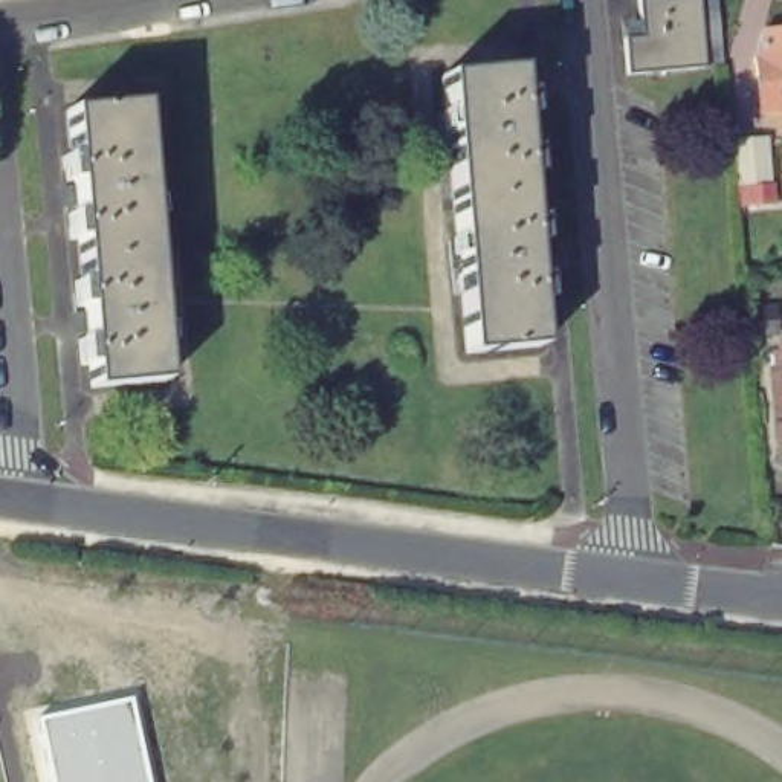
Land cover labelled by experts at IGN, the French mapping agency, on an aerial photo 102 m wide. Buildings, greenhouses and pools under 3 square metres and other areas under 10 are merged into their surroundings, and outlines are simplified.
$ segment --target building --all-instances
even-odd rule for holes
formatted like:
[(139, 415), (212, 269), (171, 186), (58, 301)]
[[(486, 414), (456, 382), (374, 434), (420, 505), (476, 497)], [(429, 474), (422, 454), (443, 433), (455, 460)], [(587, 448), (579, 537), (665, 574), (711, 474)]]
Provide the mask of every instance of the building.
[(79, 254), (79, 281), (73, 287), (73, 302), (86, 309), (89, 321), (86, 336), (79, 339), (79, 364), (89, 367), (92, 388), (125, 385), (171, 382), (177, 376), (180, 357), (159, 101), (153, 95), (134, 95), (86, 101), (67, 107), (67, 156), (61, 159), (61, 168), (67, 183), (73, 180), (76, 186), (76, 205), (67, 217), (67, 235), (76, 241)]
[(706, 64), (721, 64), (724, 0), (635, 0), (638, 15), (626, 18), (632, 43), (632, 67), (623, 70), (626, 76), (703, 73)]
[(739, 199), (745, 211), (782, 211), (782, 144), (770, 150), (767, 137), (745, 141), (739, 147), (736, 165)]
[(461, 290), (458, 296), (467, 324), (467, 351), (544, 348), (553, 342), (556, 330), (535, 64), (498, 61), (464, 64), (458, 73), (443, 73), (449, 122), (458, 131), (455, 162), (452, 171), (449, 199), (455, 211), (455, 250)]
[(782, 296), (765, 293), (767, 360), (761, 367), (761, 385), (767, 394), (770, 458), (773, 470), (782, 470)]
[(137, 696), (46, 712), (46, 733), (58, 782), (156, 782)]
[(761, 101), (761, 113), (755, 122), (782, 131), (782, 24), (767, 24), (758, 34), (748, 61), (748, 73), (758, 86)]

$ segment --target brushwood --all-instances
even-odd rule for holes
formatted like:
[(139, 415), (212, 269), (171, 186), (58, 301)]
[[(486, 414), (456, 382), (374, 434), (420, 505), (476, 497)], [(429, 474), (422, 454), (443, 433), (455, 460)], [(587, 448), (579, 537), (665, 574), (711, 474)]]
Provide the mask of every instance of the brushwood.
[(730, 73), (721, 64), (706, 64), (703, 73), (706, 79), (715, 79), (724, 89), (724, 98), (715, 107), (730, 116), (741, 137), (736, 70)]
[(773, 544), (773, 498), (764, 473), (764, 461), (770, 458), (767, 394), (761, 385), (761, 367), (755, 364), (741, 376), (758, 532), (748, 525), (718, 525), (709, 544), (721, 550), (770, 550)]
[(223, 580), (223, 587), (260, 583), (260, 574), (266, 571), (247, 562), (232, 562), (229, 568), (208, 568), (147, 556), (73, 553), (61, 547), (34, 547), (37, 535), (15, 538), (12, 559), (49, 562), (52, 565), (79, 562), (89, 568), (119, 568), (119, 574), (137, 577), (150, 571), (171, 577)]
[(382, 504), (406, 504), (513, 522), (547, 519), (550, 513), (556, 513), (562, 507), (559, 489), (547, 489), (541, 498), (489, 498), (452, 489), (333, 473), (305, 470), (250, 464), (244, 461), (244, 446), (235, 446), (229, 458), (211, 458), (208, 452), (174, 455), (168, 458), (168, 464), (156, 467), (156, 480), (214, 480), (223, 486), (260, 486), (312, 495), (367, 498)]
[(742, 261), (739, 214), (745, 211), (739, 199), (736, 165), (724, 174), (733, 287), (745, 290), (765, 293), (782, 296), (782, 257), (779, 247), (770, 247), (764, 260)]
[(348, 577), (321, 571), (293, 574), (293, 580), (302, 590), (342, 593), (342, 602), (354, 608), (367, 608), (373, 602), (376, 608), (397, 614), (458, 617), (473, 623), (513, 623), (547, 632), (602, 635), (614, 641), (638, 638), (648, 645), (718, 648), (755, 657), (782, 657), (782, 635), (730, 632), (715, 623), (657, 623), (620, 614), (580, 614), (556, 608), (525, 608), (510, 602), (477, 602), (409, 590), (382, 590), (382, 577)]

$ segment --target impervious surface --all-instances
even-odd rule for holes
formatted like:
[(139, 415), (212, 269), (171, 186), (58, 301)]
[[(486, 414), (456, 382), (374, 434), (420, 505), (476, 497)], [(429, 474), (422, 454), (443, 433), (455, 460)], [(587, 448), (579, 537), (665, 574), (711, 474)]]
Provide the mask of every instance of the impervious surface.
[(764, 764), (782, 773), (782, 724), (736, 700), (657, 675), (556, 675), (498, 687), (428, 718), (425, 724), (391, 742), (354, 782), (406, 782), (431, 764), (437, 764), (440, 758), (446, 758), (449, 751), (486, 733), (535, 718), (587, 709), (623, 709), (681, 721), (748, 748)]
[(452, 171), (434, 183), (440, 189), (446, 244), (455, 250), (455, 211), (449, 199)]
[[(330, 559), (351, 565), (437, 568), (464, 577), (574, 587), (611, 596), (626, 593), (654, 602), (678, 599), (678, 614), (745, 611), (782, 617), (782, 544), (773, 544), (770, 550), (721, 550), (709, 544), (684, 544), (666, 535), (654, 519), (651, 504), (657, 495), (669, 495), (684, 507), (690, 507), (693, 501), (681, 428), (681, 376), (681, 370), (675, 367), (675, 348), (669, 342), (669, 333), (678, 321), (672, 309), (669, 278), (672, 260), (663, 214), (663, 168), (654, 156), (651, 137), (654, 113), (641, 98), (629, 92), (626, 76), (623, 70), (632, 67), (632, 43), (626, 18), (638, 15), (635, 0), (559, 0), (556, 6), (562, 6), (565, 15), (583, 309), (590, 312), (593, 376), (605, 467), (605, 513), (602, 519), (587, 519), (571, 348), (561, 283), (548, 46), (538, 43), (536, 0), (516, 0), (516, 9), (510, 9), (483, 40), (498, 61), (535, 64), (556, 330), (553, 342), (544, 348), (467, 351), (467, 324), (458, 296), (449, 302), (455, 357), (461, 364), (538, 357), (538, 376), (547, 376), (553, 382), (553, 437), (553, 455), (562, 467), (559, 489), (562, 507), (556, 513), (550, 513), (547, 519), (513, 522), (406, 504), (382, 504), (367, 498), (312, 495), (260, 486), (223, 486), (214, 480), (156, 480), (113, 473), (119, 467), (119, 458), (95, 455), (89, 461), (86, 425), (95, 412), (92, 388), (89, 367), (79, 364), (79, 339), (86, 336), (89, 321), (86, 309), (73, 302), (73, 287), (79, 281), (79, 254), (76, 241), (67, 235), (67, 217), (76, 205), (76, 186), (73, 180), (67, 183), (61, 168), (61, 159), (67, 156), (67, 107), (86, 101), (89, 82), (55, 79), (52, 49), (86, 46), (89, 40), (101, 40), (104, 34), (153, 21), (192, 21), (244, 9), (269, 12), (269, 6), (278, 6), (284, 15), (293, 15), (299, 3), (312, 6), (315, 0), (0, 0), (0, 519), (86, 525), (92, 532), (131, 532), (147, 538), (177, 538), (189, 544), (217, 544), (235, 550), (263, 550), (278, 556)], [(21, 211), (18, 192), (18, 131), (24, 116), (21, 98), (37, 104), (37, 144), (43, 180), (43, 211), (37, 217), (27, 217)], [(43, 235), (49, 247), (52, 315), (46, 318), (37, 318), (31, 309), (24, 260), (31, 235)], [(55, 455), (43, 452), (40, 431), (40, 394), (34, 360), (34, 342), (40, 336), (55, 339), (61, 360), (64, 446)]]
[(745, 141), (767, 137), (770, 150), (782, 144), (782, 131), (755, 122), (761, 113), (761, 101), (758, 86), (748, 73), (748, 61), (758, 34), (767, 24), (782, 24), (782, 0), (742, 0), (739, 27), (733, 37), (736, 70), (741, 137)]
[(284, 718), (278, 745), (281, 782), (351, 782), (342, 776), (345, 678), (336, 672), (299, 672), (284, 684)]
[(40, 782), (58, 782), (46, 733), (46, 712), (43, 709), (24, 712)]

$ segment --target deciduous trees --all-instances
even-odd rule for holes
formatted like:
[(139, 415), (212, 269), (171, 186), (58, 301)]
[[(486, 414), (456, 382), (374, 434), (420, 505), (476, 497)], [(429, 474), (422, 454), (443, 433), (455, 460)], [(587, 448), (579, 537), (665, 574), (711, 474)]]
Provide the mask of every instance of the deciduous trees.
[(434, 183), (452, 171), (455, 162), (440, 144), (440, 137), (434, 131), (425, 131), (415, 119), (391, 104), (367, 104), (360, 110), (351, 101), (324, 101), (315, 113), (305, 113), (272, 144), (269, 171), (284, 171), (290, 177), (293, 192), (312, 196), (312, 208), (309, 214), (302, 214), (299, 232), (284, 235), (278, 254), (287, 260), (287, 266), (305, 272), (315, 290), (339, 293), (345, 269), (367, 247), (367, 241), (342, 223), (345, 196), (370, 192), (382, 205), (382, 211), (400, 208), (403, 192), (422, 199), (422, 192)]
[(712, 315), (693, 312), (690, 318), (678, 321), (669, 333), (669, 342), (675, 348), (675, 367), (681, 370), (681, 376), (687, 379), (693, 373), (696, 379), (703, 379), (706, 388), (733, 382), (741, 376), (755, 364), (761, 367), (767, 360), (765, 293), (745, 290), (751, 321), (742, 321), (733, 309), (718, 309)]
[(345, 348), (327, 345), (327, 339), (315, 327), (290, 321), (284, 309), (275, 309), (269, 318), (263, 367), (269, 370), (272, 382), (293, 379), (302, 388), (293, 409), (284, 409), (284, 431), (293, 449), (302, 455), (305, 470), (333, 473), (339, 461), (357, 461), (360, 452), (376, 446), (391, 431), (391, 425), (382, 425), (376, 406), (360, 397), (360, 385), (348, 385), (339, 394), (305, 391), (305, 385), (318, 376), (348, 367), (351, 357)]
[(220, 299), (229, 290), (235, 290), (235, 296), (241, 299), (257, 296), (272, 281), (272, 263), (260, 269), (254, 257), (235, 247), (241, 229), (223, 226), (217, 220), (211, 287), (220, 293)]
[(654, 156), (663, 168), (696, 180), (724, 174), (736, 165), (739, 147), (745, 141), (741, 137), (730, 116), (715, 107), (696, 107), (678, 116), (672, 116), (669, 110), (654, 113), (651, 137)]
[(464, 458), (467, 473), (473, 473), (477, 480), (504, 480), (513, 470), (535, 470), (544, 458), (553, 455), (553, 437), (541, 431), (528, 391), (516, 379), (486, 385), (486, 403), (480, 409), (480, 418), (458, 431), (458, 440), (452, 446), (455, 458)]
[(406, 382), (425, 371), (425, 360), (418, 360), (415, 345), (409, 339), (388, 339), (382, 364), (394, 379)]
[(254, 165), (254, 144), (238, 141), (235, 174), (257, 183), (266, 171)]
[(156, 400), (128, 394), (125, 385), (92, 388), (95, 412), (86, 425), (89, 461), (95, 455), (119, 458), (119, 467), (113, 473), (156, 480), (156, 467), (168, 464), (168, 458), (174, 455), (168, 452), (168, 443), (177, 437), (174, 415), (159, 405)]

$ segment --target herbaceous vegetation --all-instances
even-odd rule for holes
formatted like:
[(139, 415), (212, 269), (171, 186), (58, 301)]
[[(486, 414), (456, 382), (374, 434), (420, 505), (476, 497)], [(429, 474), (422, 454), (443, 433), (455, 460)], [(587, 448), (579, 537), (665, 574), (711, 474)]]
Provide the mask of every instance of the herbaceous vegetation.
[(483, 40), (510, 9), (516, 9), (516, 0), (408, 0), (406, 6), (412, 15), (434, 18), (434, 43), (470, 49), (477, 40)]
[(782, 211), (745, 211), (739, 214), (742, 261), (764, 260), (770, 247), (779, 247), (782, 257)]
[(110, 651), (119, 669), (131, 669), (131, 675), (137, 678), (137, 684), (131, 687), (101, 690), (89, 663), (58, 663), (55, 690), (46, 696), (43, 709), (46, 712), (137, 696), (156, 782), (238, 782), (241, 770), (232, 764), (232, 739), (226, 724), (229, 706), (238, 696), (238, 684), (229, 681), (229, 663), (205, 657), (196, 648), (196, 638), (189, 638), (180, 651), (168, 651), (159, 657), (141, 638), (116, 638)]
[(0, 577), (37, 580), (49, 562), (12, 559), (15, 538), (0, 535)]
[(553, 437), (553, 382), (547, 376), (538, 376), (516, 379), (528, 391), (541, 431)]
[(37, 104), (21, 98), (24, 116), (18, 131), (18, 192), (21, 211), (27, 217), (37, 217), (43, 211), (43, 180), (37, 144)]
[(773, 544), (782, 544), (782, 470), (773, 470), (770, 458), (764, 461), (764, 473), (773, 498)]
[(669, 495), (657, 495), (651, 504), (654, 519), (666, 535), (684, 544), (709, 544), (718, 525), (748, 525), (758, 532), (741, 376), (733, 382), (706, 388), (703, 379), (696, 379), (693, 373), (687, 379), (681, 376), (681, 428), (693, 501), (690, 507), (684, 507)]
[(663, 214), (672, 260), (669, 278), (672, 309), (678, 321), (690, 318), (693, 312), (712, 315), (718, 309), (733, 309), (742, 321), (751, 321), (745, 290), (733, 287), (724, 174), (696, 180), (663, 168)]
[(37, 635), (31, 626), (21, 623), (0, 626), (0, 648), (6, 654), (34, 651)]
[(730, 73), (736, 70), (733, 37), (739, 27), (742, 0), (724, 0), (721, 64)]
[(55, 339), (40, 336), (34, 342), (34, 360), (40, 394), (40, 431), (43, 452), (55, 455), (64, 446), (61, 360)]
[(43, 235), (31, 235), (24, 260), (31, 309), (37, 318), (46, 318), (52, 315), (49, 247)]
[(706, 79), (703, 73), (626, 76), (629, 92), (641, 98), (654, 113), (669, 110), (672, 116), (678, 116), (696, 107), (715, 107), (724, 98), (724, 89), (715, 79)]
[(446, 758), (440, 758), (437, 764), (431, 764), (406, 782), (782, 782), (782, 773), (764, 764), (748, 748), (681, 721), (623, 709), (587, 709), (535, 718), (486, 733), (449, 751)]
[(614, 641), (602, 635), (547, 632), (513, 623), (473, 623), (458, 617), (397, 614), (376, 608), (373, 602), (367, 608), (354, 608), (342, 602), (342, 593), (302, 590), (293, 580), (293, 574), (266, 571), (260, 574), (260, 583), (223, 587), (223, 580), (171, 577), (150, 571), (137, 577), (119, 574), (119, 568), (89, 568), (79, 562), (52, 565), (43, 577), (55, 587), (82, 590), (86, 583), (98, 580), (107, 590), (119, 587), (122, 596), (177, 593), (183, 602), (211, 593), (217, 596), (214, 608), (229, 608), (241, 620), (260, 620), (257, 684), (263, 712), (269, 718), (269, 745), (278, 745), (284, 718), (284, 684), (299, 672), (336, 672), (345, 678), (342, 776), (351, 782), (354, 782), (391, 742), (425, 724), (428, 718), (498, 687), (556, 675), (657, 675), (736, 700), (782, 724), (782, 657), (755, 657), (718, 648), (648, 645), (638, 638)]
[(556, 6), (559, 0), (536, 0), (538, 43), (548, 46), (561, 283), (571, 348), (587, 519), (602, 519), (605, 513), (605, 467), (593, 376), (590, 312), (583, 309), (565, 15), (562, 6)]
[[(541, 498), (547, 489), (559, 489), (562, 467), (553, 455), (544, 458), (535, 470), (513, 470), (504, 480), (477, 480), (473, 473), (467, 473), (464, 458), (455, 458), (452, 446), (458, 440), (458, 431), (480, 418), (480, 409), (486, 403), (486, 385), (440, 382), (431, 336), (431, 287), (422, 199), (403, 192), (400, 208), (382, 211), (382, 205), (370, 192), (345, 196), (342, 223), (367, 241), (367, 247), (345, 269), (339, 293), (315, 290), (305, 272), (287, 266), (287, 260), (278, 254), (284, 235), (299, 232), (302, 214), (309, 214), (312, 208), (312, 196), (293, 192), (290, 177), (284, 171), (269, 171), (272, 144), (305, 113), (315, 113), (324, 101), (351, 101), (360, 110), (367, 104), (391, 104), (415, 119), (412, 86), (403, 86), (397, 92), (403, 70), (397, 64), (385, 64), (367, 52), (367, 37), (360, 37), (354, 27), (360, 12), (357, 0), (315, 0), (312, 6), (299, 3), (293, 15), (284, 15), (205, 27), (202, 37), (162, 37), (86, 46), (52, 49), (55, 79), (89, 82), (86, 101), (134, 95), (153, 95), (159, 101), (180, 357), (189, 357), (189, 399), (185, 403), (159, 405), (174, 415), (177, 437), (168, 443), (168, 452), (174, 455), (208, 452), (211, 458), (229, 458), (235, 446), (244, 446), (244, 461), (250, 464), (305, 470), (302, 455), (293, 449), (284, 431), (284, 409), (293, 409), (302, 388), (293, 379), (272, 382), (269, 370), (263, 367), (269, 318), (275, 309), (284, 309), (290, 321), (315, 327), (327, 339), (327, 345), (345, 348), (351, 357), (348, 367), (318, 376), (305, 385), (305, 391), (339, 394), (348, 385), (360, 385), (360, 397), (376, 406), (382, 425), (391, 425), (391, 431), (376, 446), (360, 452), (357, 461), (339, 461), (333, 473), (452, 489), (489, 498)], [(254, 144), (254, 165), (266, 171), (257, 183), (235, 174), (238, 141)], [(229, 290), (220, 299), (220, 293), (211, 287), (217, 220), (223, 226), (241, 229), (235, 247), (254, 257), (260, 269), (272, 263), (272, 281), (257, 296), (241, 299), (235, 296), (235, 290)], [(394, 379), (382, 364), (388, 339), (409, 339), (415, 345), (418, 360), (425, 360), (425, 371), (406, 382)]]

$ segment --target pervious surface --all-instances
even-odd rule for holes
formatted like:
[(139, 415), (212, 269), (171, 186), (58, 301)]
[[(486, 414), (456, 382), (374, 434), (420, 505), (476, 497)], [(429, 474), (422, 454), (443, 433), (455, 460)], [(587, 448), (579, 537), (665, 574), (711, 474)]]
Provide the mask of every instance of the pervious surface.
[(449, 302), (458, 296), (461, 290), (455, 250), (446, 244), (440, 189), (434, 183), (422, 192), (422, 199), (431, 287), (431, 336), (440, 382), (486, 385), (516, 379), (538, 376), (538, 357), (461, 364), (455, 357)]
[(159, 405), (185, 403), (189, 399), (189, 357), (180, 357), (177, 376), (171, 382), (125, 385), (128, 394), (156, 400)]
[(24, 712), (43, 709), (46, 696), (55, 690), (58, 663), (89, 663), (101, 690), (131, 687), (137, 684), (137, 678), (131, 675), (131, 669), (119, 669), (110, 651), (116, 638), (141, 638), (159, 657), (168, 651), (180, 651), (189, 638), (196, 638), (196, 648), (205, 657), (229, 663), (229, 681), (238, 684), (238, 696), (229, 706), (226, 724), (232, 739), (232, 764), (241, 770), (238, 782), (281, 782), (278, 745), (269, 745), (269, 718), (263, 712), (257, 684), (260, 620), (241, 620), (229, 608), (214, 608), (217, 596), (211, 593), (183, 602), (177, 593), (122, 596), (119, 587), (107, 590), (98, 580), (86, 583), (82, 590), (55, 587), (43, 577), (52, 565), (49, 562), (37, 580), (0, 577), (0, 626), (21, 623), (31, 626), (37, 635), (34, 651), (6, 654), (0, 648), (0, 782), (40, 782)]
[(678, 614), (678, 599), (654, 602), (626, 593), (611, 596), (574, 587), (464, 577), (437, 568), (351, 565), (330, 559), (278, 556), (263, 550), (235, 550), (217, 544), (189, 544), (177, 538), (147, 538), (131, 532), (92, 532), (86, 525), (0, 519), (0, 535), (15, 538), (37, 535), (34, 547), (61, 547), (73, 553), (147, 556), (208, 568), (229, 568), (232, 562), (247, 562), (266, 571), (293, 574), (321, 571), (348, 577), (382, 577), (382, 590), (409, 590), (477, 602), (510, 602), (525, 608), (556, 608), (580, 614), (620, 614), (657, 623), (715, 623), (730, 632), (782, 635), (782, 617), (745, 611)]
[(434, 131), (440, 137), (440, 144), (455, 162), (458, 131), (449, 122), (443, 73), (458, 73), (464, 64), (498, 61), (483, 40), (477, 40), (470, 49), (434, 43), (418, 46), (412, 61), (397, 64), (403, 70), (397, 92), (403, 86), (412, 86), (415, 119), (425, 131)]
[(86, 46), (162, 37), (202, 37), (205, 27), (284, 15), (278, 6), (269, 6), (269, 12), (244, 9), (192, 21), (153, 21), (104, 34), (101, 40), (89, 40)]

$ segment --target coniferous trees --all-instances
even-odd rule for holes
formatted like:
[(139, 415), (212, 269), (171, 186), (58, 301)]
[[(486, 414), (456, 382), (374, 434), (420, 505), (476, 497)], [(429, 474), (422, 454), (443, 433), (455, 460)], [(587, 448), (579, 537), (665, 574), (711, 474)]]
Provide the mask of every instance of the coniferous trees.
[(434, 43), (434, 18), (412, 15), (406, 6), (408, 0), (357, 0), (360, 12), (354, 27), (360, 37), (367, 37), (367, 52), (385, 64), (397, 64), (412, 61), (418, 46)]

